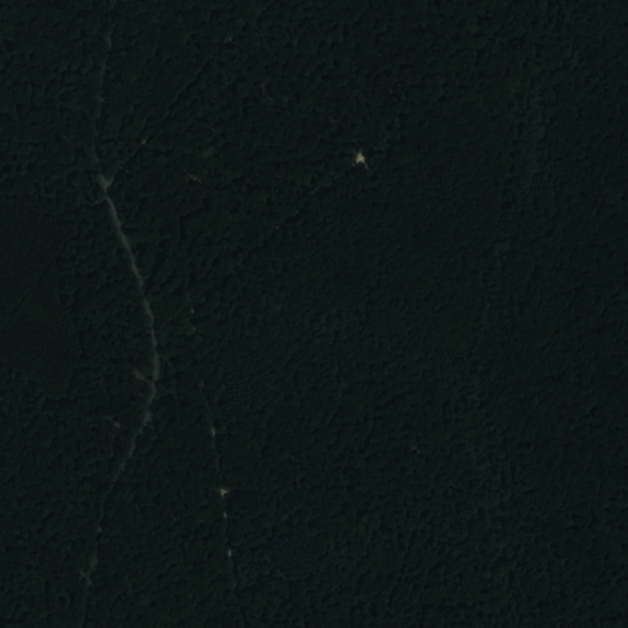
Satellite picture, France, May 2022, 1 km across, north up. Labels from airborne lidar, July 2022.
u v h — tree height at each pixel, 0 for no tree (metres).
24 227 12
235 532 29
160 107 25
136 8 30
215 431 26
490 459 26
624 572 28
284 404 23
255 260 28
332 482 25
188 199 21
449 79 27
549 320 27
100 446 27
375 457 24
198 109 27
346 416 28
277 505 28
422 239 26
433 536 19
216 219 29
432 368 25
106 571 31
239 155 26
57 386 9
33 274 11
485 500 22
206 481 29
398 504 28
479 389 22
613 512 25
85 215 25
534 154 21
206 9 29
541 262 25
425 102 29
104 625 25
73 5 28
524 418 23
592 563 33
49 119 28
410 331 21
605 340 23
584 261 27
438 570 24
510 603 30
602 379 27
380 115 30
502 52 32
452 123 29
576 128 29
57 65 28
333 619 26
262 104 27
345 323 26
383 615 16
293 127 25
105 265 29
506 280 27
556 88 25
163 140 28
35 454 28
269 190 34
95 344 26
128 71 28
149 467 32
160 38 30
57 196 27
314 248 21
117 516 31
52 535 25
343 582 23
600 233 30
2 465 32
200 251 35
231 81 14
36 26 27
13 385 27
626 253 28
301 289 27
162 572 19
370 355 24
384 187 28
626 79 25
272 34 27
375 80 30
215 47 24
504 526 30
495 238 7
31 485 31
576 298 26
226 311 20
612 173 27
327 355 23
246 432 29
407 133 30
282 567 29
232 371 31
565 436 23
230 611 27
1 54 31
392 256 29
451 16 27
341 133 31
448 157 26
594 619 14
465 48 27
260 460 28
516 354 25
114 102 28
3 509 30
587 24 30
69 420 25
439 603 10
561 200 25
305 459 26
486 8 30
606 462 23
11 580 24
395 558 14
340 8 25
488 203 30
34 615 30
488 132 29
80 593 25
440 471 27
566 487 27
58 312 10
